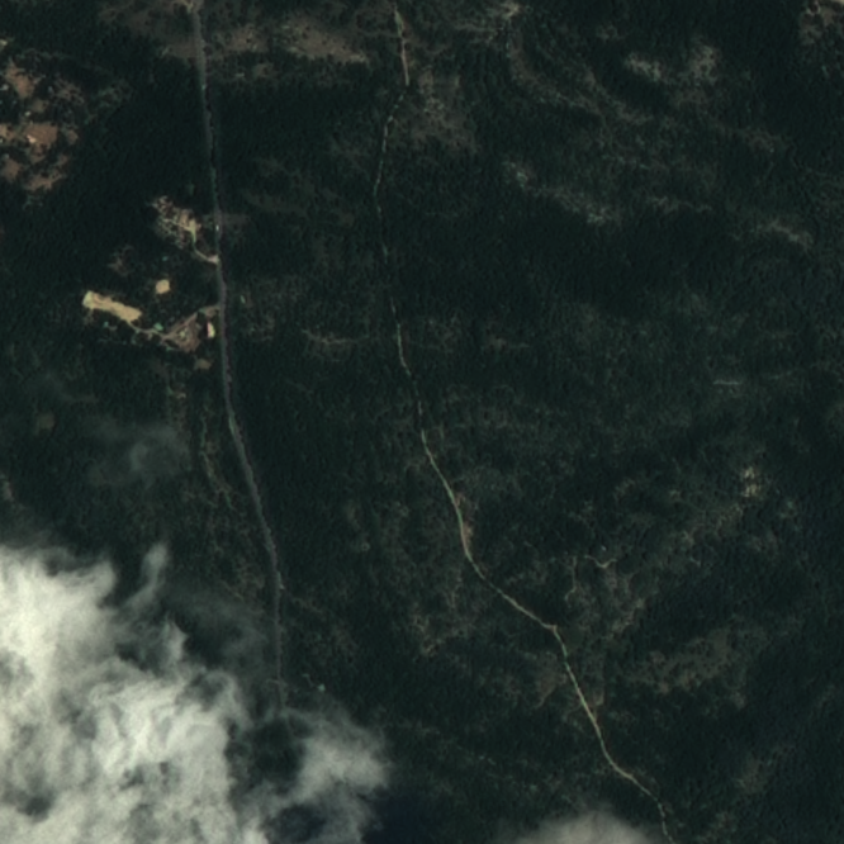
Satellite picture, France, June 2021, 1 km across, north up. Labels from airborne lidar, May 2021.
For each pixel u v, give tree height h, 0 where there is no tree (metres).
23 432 11
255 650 8
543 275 9
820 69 9
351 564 9
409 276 11
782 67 9
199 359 7
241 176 12
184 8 7
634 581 9
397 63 7
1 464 13
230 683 11
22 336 7
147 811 14
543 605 9
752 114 6
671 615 9
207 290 6
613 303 11
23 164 8
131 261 12
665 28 14
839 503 7
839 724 11
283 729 7
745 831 7
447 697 7
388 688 14
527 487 7
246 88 8
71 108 8
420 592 6
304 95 10
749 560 8
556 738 8
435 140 7
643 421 8
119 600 7
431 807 6
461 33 8
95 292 9
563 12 12
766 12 14
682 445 9
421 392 8
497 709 6
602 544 11
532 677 8
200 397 9
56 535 10
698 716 9
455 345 6
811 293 10
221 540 10
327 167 8
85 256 15
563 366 6
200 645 13
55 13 9
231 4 7
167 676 11
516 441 6
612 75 11
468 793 8
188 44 0
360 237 8
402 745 7
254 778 8
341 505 9
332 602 8
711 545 8
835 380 7
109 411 10
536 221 10
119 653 12
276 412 10
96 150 9
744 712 12
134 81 10
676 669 8
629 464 8
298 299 6
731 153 10
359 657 7
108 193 18
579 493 7
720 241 10
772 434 8
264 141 15
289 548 9
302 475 10
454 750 7
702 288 7
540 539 7
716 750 13
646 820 8
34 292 9
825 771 11
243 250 10
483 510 6
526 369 9
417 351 8
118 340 10
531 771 7
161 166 16
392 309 7
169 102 15
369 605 8
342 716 7
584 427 6
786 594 11
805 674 9
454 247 9
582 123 9
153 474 9
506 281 8
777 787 10
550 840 10
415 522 7
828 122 12
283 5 8
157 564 10
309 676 8
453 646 10
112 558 13
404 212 9
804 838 13
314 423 9
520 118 8
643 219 10
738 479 7
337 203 9
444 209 6
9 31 9
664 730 8
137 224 16
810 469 11
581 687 7
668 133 7
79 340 11
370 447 7
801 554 8
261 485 10
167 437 6
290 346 9
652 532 9
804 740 7
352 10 8
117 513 10
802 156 11
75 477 10
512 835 7
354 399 10
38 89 9
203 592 11
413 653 6
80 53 11
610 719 7
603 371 7
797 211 6
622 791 10
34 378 9
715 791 8
